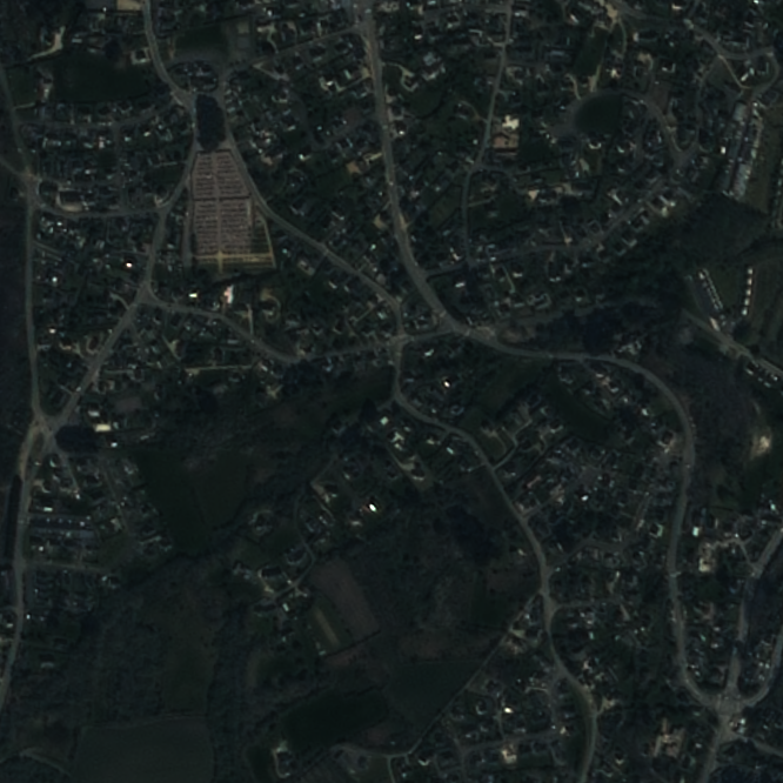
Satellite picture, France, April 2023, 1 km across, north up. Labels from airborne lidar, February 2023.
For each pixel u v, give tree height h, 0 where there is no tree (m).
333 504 0
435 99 0
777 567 0
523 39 12
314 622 0
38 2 17
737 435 20
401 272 15
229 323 0
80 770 0
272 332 13
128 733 0
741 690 6
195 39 0
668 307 22
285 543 0
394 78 0
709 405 10
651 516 8
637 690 6
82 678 8
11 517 11
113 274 0
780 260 0
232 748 12
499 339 0
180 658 0
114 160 0
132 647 12
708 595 0
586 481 0
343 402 0
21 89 0
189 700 0
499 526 0
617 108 0
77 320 8
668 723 0
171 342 0
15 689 6
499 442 0
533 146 0
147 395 0
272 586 0
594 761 0
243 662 19
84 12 8
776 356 12
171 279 0
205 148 11
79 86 0
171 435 6
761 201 0
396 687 0
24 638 9
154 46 0
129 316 0
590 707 0
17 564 0
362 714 0
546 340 8
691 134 0
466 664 0
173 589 10
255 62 0
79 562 0
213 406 14
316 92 8
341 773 11
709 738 8
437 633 0
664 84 0
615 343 9
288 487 6
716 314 0
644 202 0
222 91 0
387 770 0
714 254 22
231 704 9
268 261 0
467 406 6
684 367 20
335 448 8
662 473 0
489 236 6
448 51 9
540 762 0
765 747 0
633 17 0
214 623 15
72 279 0
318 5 0
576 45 10
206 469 0
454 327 0
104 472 0
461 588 0
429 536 6
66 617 10
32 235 0
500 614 0
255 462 0
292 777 8
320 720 0
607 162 8
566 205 11
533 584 0
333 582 0
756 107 0
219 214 0
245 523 7
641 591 0
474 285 13
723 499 15
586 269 7
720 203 20
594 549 0
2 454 8
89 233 10
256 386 0
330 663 0
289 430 0
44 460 0
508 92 0
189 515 0
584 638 11
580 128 0
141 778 0
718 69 0
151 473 0
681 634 0
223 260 0
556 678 0
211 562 20
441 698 0
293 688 13
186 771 0
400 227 0
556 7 0
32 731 0
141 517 0
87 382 0
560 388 0
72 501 0
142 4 0
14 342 0
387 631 6
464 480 0
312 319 10
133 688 12
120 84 0
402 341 0
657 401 0
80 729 12
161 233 0
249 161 12
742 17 12
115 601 10
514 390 0
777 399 0
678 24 10
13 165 0
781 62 15
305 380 10
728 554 6
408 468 0
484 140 0
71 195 0
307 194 12
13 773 8
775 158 0
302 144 0
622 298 19
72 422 0
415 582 12
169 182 0
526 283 6
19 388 5
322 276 0
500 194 7
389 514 10
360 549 9
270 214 0
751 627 18
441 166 0
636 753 18
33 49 7
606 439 11
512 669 5
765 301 0
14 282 0
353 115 0
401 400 0
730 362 10
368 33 0
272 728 8
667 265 13
